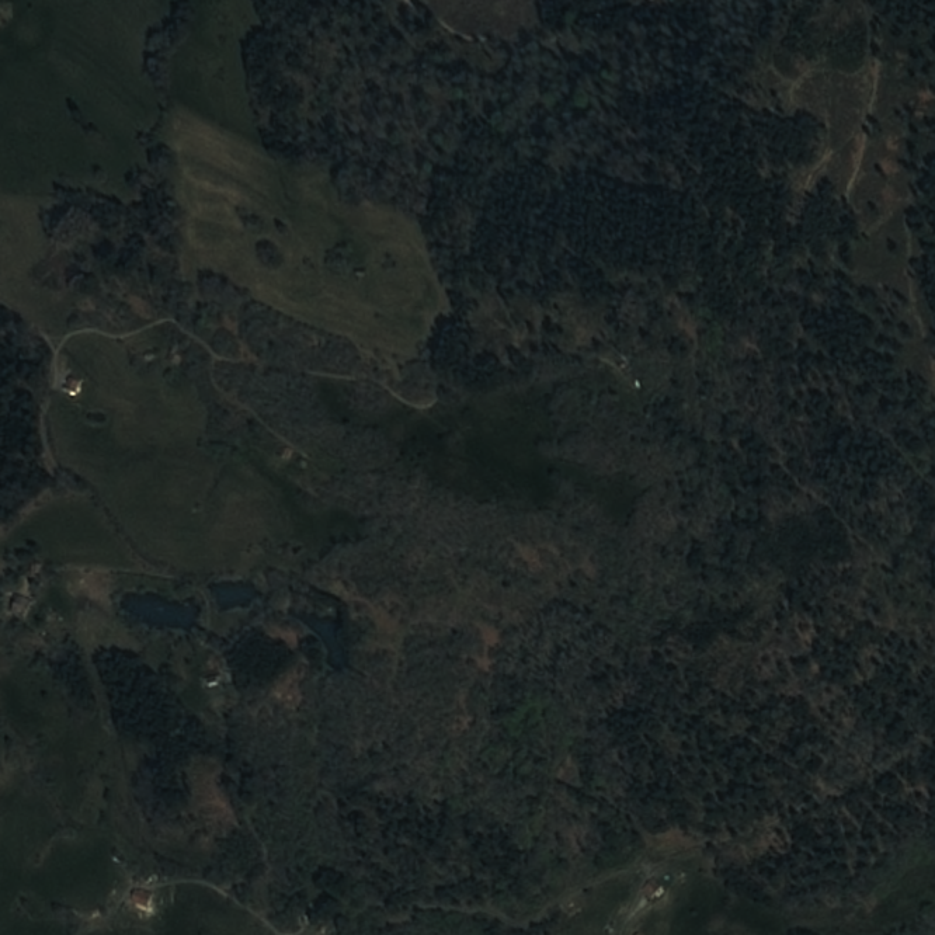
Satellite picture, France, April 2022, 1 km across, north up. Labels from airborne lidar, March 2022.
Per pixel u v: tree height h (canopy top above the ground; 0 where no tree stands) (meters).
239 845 8
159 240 25
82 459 0
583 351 8
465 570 13
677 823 20
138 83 0
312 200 0
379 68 30
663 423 17
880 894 13
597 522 7
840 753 31
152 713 29
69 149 0
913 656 35
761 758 8
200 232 0
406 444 0
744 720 16
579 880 10
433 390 11
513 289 17
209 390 10
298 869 16
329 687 19
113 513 6
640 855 11
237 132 0
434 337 0
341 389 0
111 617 0
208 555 0
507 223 15
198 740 30
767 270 24
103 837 0
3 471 11
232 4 0
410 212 15
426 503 12
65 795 0
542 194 16
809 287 27
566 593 21
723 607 10
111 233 27
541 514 6
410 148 23
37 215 0
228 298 20
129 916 0
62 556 0
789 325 18
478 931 20
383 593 10
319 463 0
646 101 11
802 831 18
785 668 26
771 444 17
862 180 0
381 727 11
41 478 10
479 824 25
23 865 0
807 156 24
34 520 0
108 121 0
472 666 11
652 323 10
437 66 19
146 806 20
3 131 0
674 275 21
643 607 14
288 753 8
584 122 17
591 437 7
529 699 21
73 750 0
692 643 13
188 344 12
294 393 16
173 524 0
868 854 11
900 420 31
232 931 0
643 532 7
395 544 17
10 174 0
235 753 23
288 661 17
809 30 11
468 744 7
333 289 0
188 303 5
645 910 0
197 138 0
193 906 0
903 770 12
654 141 11
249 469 0
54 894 0
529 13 0
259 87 11
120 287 6
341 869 18
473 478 0
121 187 0
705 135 16
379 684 7
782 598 7
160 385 0
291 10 22
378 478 11
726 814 25
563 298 20
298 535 0
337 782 25
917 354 0
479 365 16
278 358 11
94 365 0
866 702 33
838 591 7
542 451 11
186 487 0
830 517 21
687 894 0
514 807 23
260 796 21
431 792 21
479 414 0
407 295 0
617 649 14
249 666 15
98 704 21
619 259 23
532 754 15
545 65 28
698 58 10
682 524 16
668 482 6
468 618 0
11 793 0
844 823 21
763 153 22
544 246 23
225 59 0
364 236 0
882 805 15
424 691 6
